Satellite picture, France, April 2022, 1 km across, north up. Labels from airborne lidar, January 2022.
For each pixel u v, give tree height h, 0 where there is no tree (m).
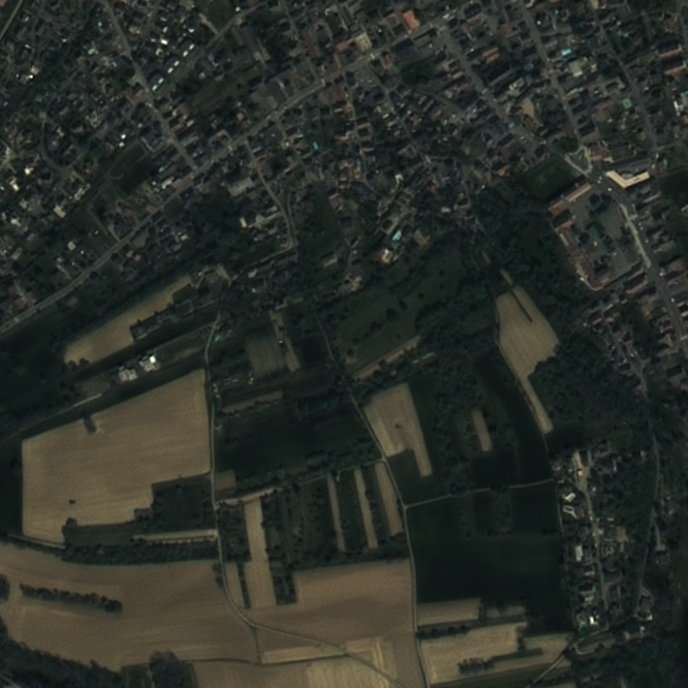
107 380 0
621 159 0
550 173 0
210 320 0
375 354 0
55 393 0
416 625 0
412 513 0
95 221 0
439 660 0
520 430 0
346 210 0
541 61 8
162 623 0
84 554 11
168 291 0
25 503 0
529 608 0
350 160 0
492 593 0
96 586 0
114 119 7
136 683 0
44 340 0
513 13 0
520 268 17
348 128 0
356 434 0
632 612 11
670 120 0
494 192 19
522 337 0
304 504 0
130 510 0
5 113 14
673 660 24
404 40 0
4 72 5
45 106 6
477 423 0
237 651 0
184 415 0
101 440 0
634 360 6
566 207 0
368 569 0
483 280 15
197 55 0
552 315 12
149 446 0
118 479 0
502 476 0
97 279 0
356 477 0
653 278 0
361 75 0
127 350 0
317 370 0
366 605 0
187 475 0
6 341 0
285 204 0
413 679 0
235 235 21
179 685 22
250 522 0
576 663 8
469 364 19
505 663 0
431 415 0
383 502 0
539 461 0
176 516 0
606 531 0
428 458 0
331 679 0
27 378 0
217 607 0
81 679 20
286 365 0
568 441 0
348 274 0
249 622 0
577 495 6
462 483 10
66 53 15
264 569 0
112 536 0
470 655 0
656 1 0
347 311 8
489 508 0
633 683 22
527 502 0
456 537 0
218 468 0
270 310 9
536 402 0
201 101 0
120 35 0
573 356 22
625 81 11
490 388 0
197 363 0
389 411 0
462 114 0
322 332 20
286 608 0
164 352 0
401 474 0
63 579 0
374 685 0
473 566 0
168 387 0
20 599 0
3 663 16
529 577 0
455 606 0
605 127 0
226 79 9
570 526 6
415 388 0
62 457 0
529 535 0
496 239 16
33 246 0
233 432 0
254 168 0
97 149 16
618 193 0
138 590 0
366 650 0
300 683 0
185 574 0
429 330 7
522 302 0
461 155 7
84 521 0
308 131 0
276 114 0
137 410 0
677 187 0
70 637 0
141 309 0
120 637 0
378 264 6
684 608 0
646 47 10
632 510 19
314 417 0
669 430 23
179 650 0
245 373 12
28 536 0
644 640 7
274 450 0
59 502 0
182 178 0
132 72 0
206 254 9
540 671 0
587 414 9
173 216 0
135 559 10
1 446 0
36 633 0
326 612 0
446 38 0
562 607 0
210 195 6
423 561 0
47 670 17
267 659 0
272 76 0
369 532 0
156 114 0
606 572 13
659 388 0
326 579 0
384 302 0
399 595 0
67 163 9
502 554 0
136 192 0
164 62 0
